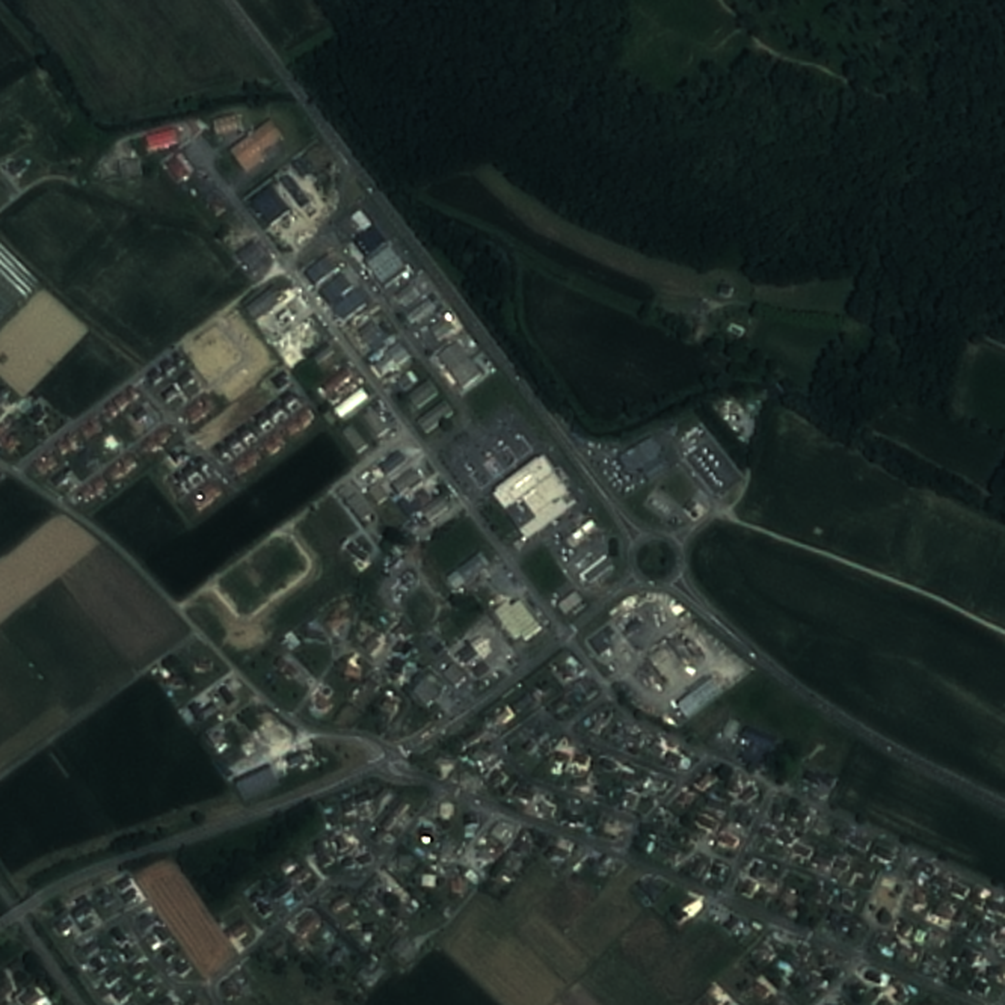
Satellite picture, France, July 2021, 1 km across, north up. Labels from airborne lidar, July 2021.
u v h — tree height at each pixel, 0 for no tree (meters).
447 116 27
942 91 23
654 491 0
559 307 0
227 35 0
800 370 0
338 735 0
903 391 26
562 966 0
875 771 0
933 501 0
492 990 0
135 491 0
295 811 9
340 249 0
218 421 0
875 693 0
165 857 7
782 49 0
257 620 0
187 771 0
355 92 20
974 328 28
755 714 0
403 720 0
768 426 7
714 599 0
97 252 0
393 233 0
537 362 12
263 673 0
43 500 0
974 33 20
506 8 27
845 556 0
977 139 19
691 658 0
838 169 26
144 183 0
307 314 0
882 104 23
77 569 0
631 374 0
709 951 0
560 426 0
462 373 0
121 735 0
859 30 21
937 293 26
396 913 6
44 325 0
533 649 0
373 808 0
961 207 27
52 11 0
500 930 0
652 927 0
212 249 0
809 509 0
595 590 0
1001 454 0
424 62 29
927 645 0
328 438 0
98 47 0
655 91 22
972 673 0
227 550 0
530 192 23
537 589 0
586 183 17
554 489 0
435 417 0
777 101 15
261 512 0
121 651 0
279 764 0
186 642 0
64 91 11
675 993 0
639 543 0
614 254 0
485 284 16
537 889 0
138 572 0
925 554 0
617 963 0
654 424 0
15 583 0
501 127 25
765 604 0
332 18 19
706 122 20
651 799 6
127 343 0
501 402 0
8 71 0
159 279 0
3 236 0
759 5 23
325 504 0
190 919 0
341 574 0
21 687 0
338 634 0
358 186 0
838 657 0
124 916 0
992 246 21
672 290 0
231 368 0
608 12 21
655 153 25
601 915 0
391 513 0
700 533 0
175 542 0
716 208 22
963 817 0
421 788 5
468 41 26
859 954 0
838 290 0
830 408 15
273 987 0
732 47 0
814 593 0
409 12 32
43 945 0
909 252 27
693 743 10
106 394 0
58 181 0
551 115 21
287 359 0
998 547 0
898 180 28
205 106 10
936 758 0
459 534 0
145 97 0
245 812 0
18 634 0
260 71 0
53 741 0
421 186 22
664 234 25
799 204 24
